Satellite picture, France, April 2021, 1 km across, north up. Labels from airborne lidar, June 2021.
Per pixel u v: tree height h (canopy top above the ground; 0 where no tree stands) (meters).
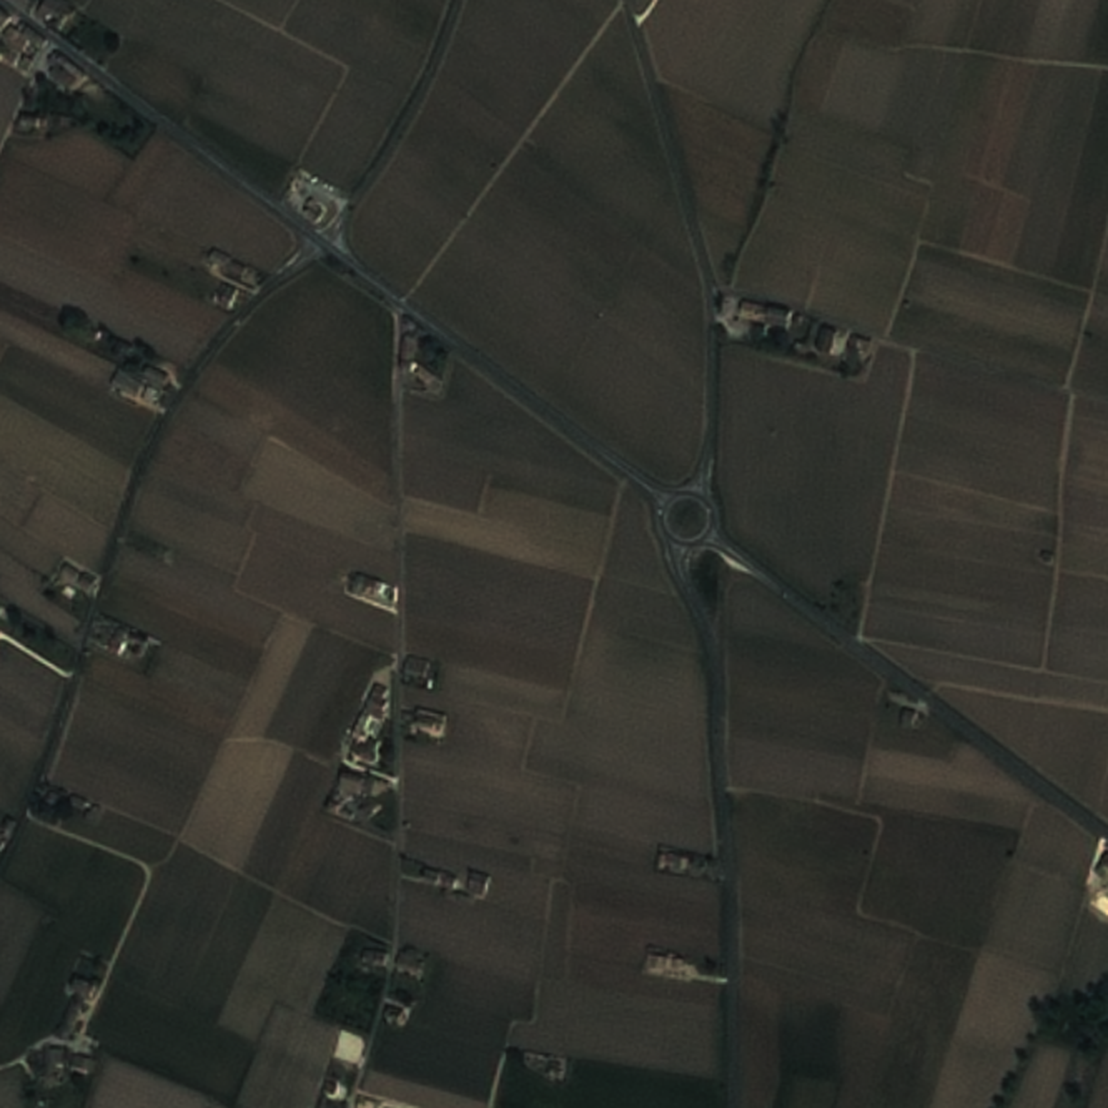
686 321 0
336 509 0
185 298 0
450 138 0
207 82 0
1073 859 0
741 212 0
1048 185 0
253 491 0
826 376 0
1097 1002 16
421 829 0
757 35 0
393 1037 0
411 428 0
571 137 0
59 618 0
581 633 0
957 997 0
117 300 0
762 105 0
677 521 0
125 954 0
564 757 0
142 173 0
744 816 0
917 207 0
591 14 0
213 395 0
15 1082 0
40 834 0
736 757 0
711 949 0
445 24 0
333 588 0
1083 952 0
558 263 0
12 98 0
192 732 0
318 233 0
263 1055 0
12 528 0
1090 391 0
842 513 0
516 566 0
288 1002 0
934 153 0
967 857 0
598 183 0
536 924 0
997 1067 0
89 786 0
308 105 0
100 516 0
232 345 0
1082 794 0
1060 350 0
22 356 0
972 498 0
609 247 0
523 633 0
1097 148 0
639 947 0
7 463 0
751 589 0
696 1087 0
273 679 0
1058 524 0
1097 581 0
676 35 0
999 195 0
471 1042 0
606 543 0
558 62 0
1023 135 0
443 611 0
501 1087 0
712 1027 0
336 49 0
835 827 0
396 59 0
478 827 0
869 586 0
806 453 0
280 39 0
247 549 0
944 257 0
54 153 0
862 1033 0
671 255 0
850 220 0
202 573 0
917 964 0
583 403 0
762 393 0
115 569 0
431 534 0
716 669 0
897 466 0
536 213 0
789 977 0
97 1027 0
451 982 0
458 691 0
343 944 0
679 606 0
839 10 0
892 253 0
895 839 0
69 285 0
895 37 0
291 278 0
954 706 0
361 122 0
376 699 0
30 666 0
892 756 0
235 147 0
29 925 0
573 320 0
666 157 0
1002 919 0
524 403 0
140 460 0
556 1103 0
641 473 0
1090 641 0
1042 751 0
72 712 0
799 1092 0
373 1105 0
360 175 0
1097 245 0
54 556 0
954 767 0
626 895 0
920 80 0
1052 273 0
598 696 0
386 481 0
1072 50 0
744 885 0
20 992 0
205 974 0
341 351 0
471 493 0
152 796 0
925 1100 0
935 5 0
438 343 7
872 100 0
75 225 0
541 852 0
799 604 0
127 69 0
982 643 0
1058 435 0
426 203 0
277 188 0
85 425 0
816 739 0
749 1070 0
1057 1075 0
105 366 0
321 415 0
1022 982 0
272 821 0
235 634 0
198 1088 0
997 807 0
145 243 0
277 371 0
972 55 0
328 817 0
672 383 0
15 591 0
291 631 0
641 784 0
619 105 0
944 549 0
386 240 0
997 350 0
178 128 0
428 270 0
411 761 0
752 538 0
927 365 0
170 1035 0
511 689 0
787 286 0
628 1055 0
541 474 0
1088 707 0
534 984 0
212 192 0
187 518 0
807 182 0
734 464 0
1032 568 0
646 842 0
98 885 0
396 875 0
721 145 0
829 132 0
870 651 0
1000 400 0
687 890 0
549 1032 0
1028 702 0
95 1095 0
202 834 0
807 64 0
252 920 0
